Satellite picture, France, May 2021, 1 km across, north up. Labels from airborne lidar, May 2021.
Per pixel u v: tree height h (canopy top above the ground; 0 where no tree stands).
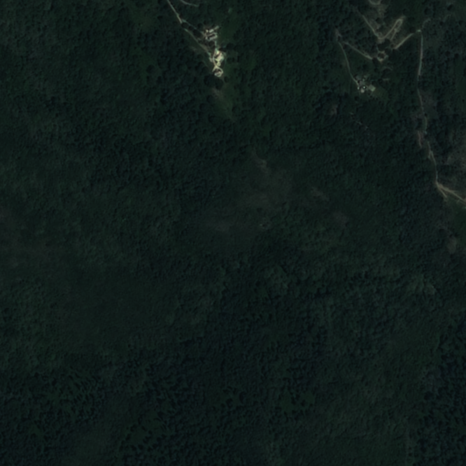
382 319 19
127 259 14
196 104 18
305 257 15
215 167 15
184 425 14
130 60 26
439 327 11
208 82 18
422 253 6
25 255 6
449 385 27
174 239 25
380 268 17
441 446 16
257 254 14
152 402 23
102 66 7
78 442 8
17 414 11
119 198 6
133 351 27
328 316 21
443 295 22
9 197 13
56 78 7
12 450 15
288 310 17
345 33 11
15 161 12
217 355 23
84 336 7
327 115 12
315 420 17
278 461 13
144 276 14
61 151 17
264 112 9
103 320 9
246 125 17
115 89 9
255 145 15
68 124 21
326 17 11
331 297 16
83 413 18
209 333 24
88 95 15
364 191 17
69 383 10
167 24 5
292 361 13
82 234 14
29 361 15
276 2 17
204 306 26
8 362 24
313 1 14
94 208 10
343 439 8
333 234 20
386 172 21
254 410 6
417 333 9
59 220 10
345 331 21
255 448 11
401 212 24
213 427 11
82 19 16
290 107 14
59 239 9
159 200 9
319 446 7
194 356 25
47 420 26
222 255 10
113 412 8
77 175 12
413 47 17
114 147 16
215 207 9
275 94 18
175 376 17
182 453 16
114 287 8
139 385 20
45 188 10
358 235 8
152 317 10
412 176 7
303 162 12
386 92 6
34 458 17
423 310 13
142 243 18
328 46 22
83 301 7
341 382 16
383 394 6
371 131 12
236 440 9
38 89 17
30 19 8
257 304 14
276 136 18
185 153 8
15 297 19
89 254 16
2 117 12
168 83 18
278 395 20
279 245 23
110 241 14
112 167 20
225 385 21
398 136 20
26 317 14
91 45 7
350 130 13
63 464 8
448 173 10
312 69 23
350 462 14
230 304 27
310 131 13
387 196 16
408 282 12
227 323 25
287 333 22
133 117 8
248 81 18
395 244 18
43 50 10
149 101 20
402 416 13
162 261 18
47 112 18
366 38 9
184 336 26
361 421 16
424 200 7
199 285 19
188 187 20
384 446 12
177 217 23
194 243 11
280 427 21
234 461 14
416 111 18
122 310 6
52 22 15
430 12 13
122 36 20
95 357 23
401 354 11
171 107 18
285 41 14
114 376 19
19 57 17
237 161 12
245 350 6
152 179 22
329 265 9
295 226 14
